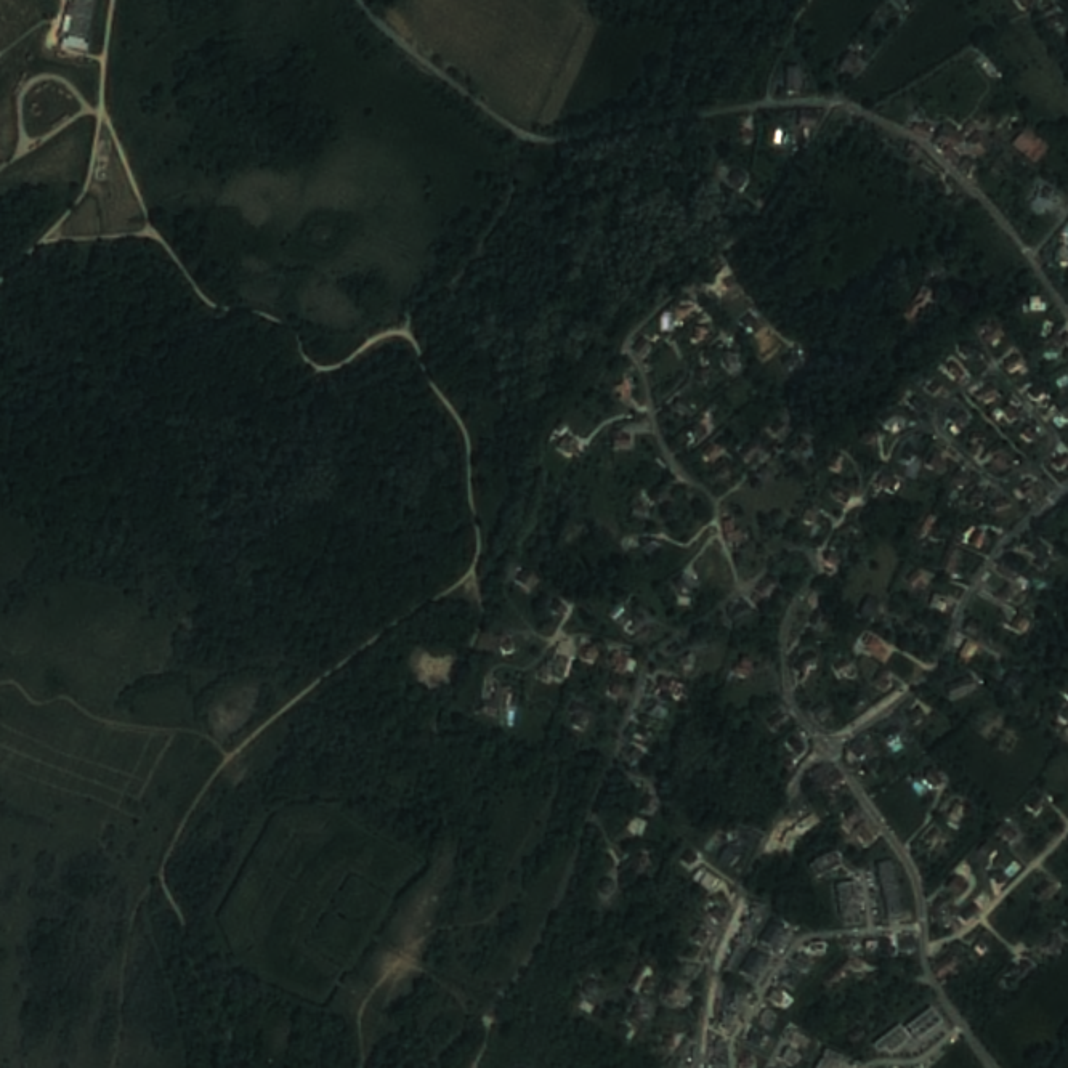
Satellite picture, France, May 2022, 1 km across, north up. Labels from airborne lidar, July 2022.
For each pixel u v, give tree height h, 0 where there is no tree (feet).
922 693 30
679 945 36
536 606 35
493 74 0
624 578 35
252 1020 62
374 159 0
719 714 44
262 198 0
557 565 43
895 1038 0
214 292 39
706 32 76
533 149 48
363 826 17
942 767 46
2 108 0
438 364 48
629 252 91
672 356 0
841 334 69
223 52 29
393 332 0
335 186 0
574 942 45
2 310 24
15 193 20
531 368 70
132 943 0
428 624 23
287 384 60
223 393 68
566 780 26
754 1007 0
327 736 49
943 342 69
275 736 0
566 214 74
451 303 25
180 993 27
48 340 36
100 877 19
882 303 62
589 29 0
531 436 37
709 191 96
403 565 46
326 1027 46
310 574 51
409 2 0
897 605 26
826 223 68
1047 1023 0
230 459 77
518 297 29
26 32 0
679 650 34
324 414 59
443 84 17
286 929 0
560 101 0
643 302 69
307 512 59
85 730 0
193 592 28
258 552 68
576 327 73
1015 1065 0
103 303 64
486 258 28
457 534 53
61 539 37
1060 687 23
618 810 52
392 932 0
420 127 0
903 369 42
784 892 48
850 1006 27
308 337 44
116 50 0
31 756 0
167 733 0
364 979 0
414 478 92
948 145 0
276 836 0
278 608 34
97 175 0
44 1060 0
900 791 0
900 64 0
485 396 24
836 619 69
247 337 58
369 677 36
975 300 62
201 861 30
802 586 58
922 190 56
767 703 28
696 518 20
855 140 36
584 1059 44
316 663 30
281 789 33
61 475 40
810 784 60
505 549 33
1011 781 0
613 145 82
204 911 34
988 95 0
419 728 36
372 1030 0
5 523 0
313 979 0
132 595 28
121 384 59
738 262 58
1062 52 38
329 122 38
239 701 0
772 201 37
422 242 0
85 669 0
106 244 29
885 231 0
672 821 73
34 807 0
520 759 60
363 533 49
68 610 0
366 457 64
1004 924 0
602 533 55
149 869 0
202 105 26
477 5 0
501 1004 38
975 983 19
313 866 0
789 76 0
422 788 24
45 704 0
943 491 29
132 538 29
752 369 18
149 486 44
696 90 101
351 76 0
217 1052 42
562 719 19
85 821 0
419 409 47
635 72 0
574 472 27
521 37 0
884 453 0
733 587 0
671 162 83
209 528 96
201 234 50
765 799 42
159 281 53
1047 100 0
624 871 36
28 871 0
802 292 77
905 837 0
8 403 37
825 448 46
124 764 0
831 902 0
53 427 63
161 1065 0
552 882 0
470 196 0
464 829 29
